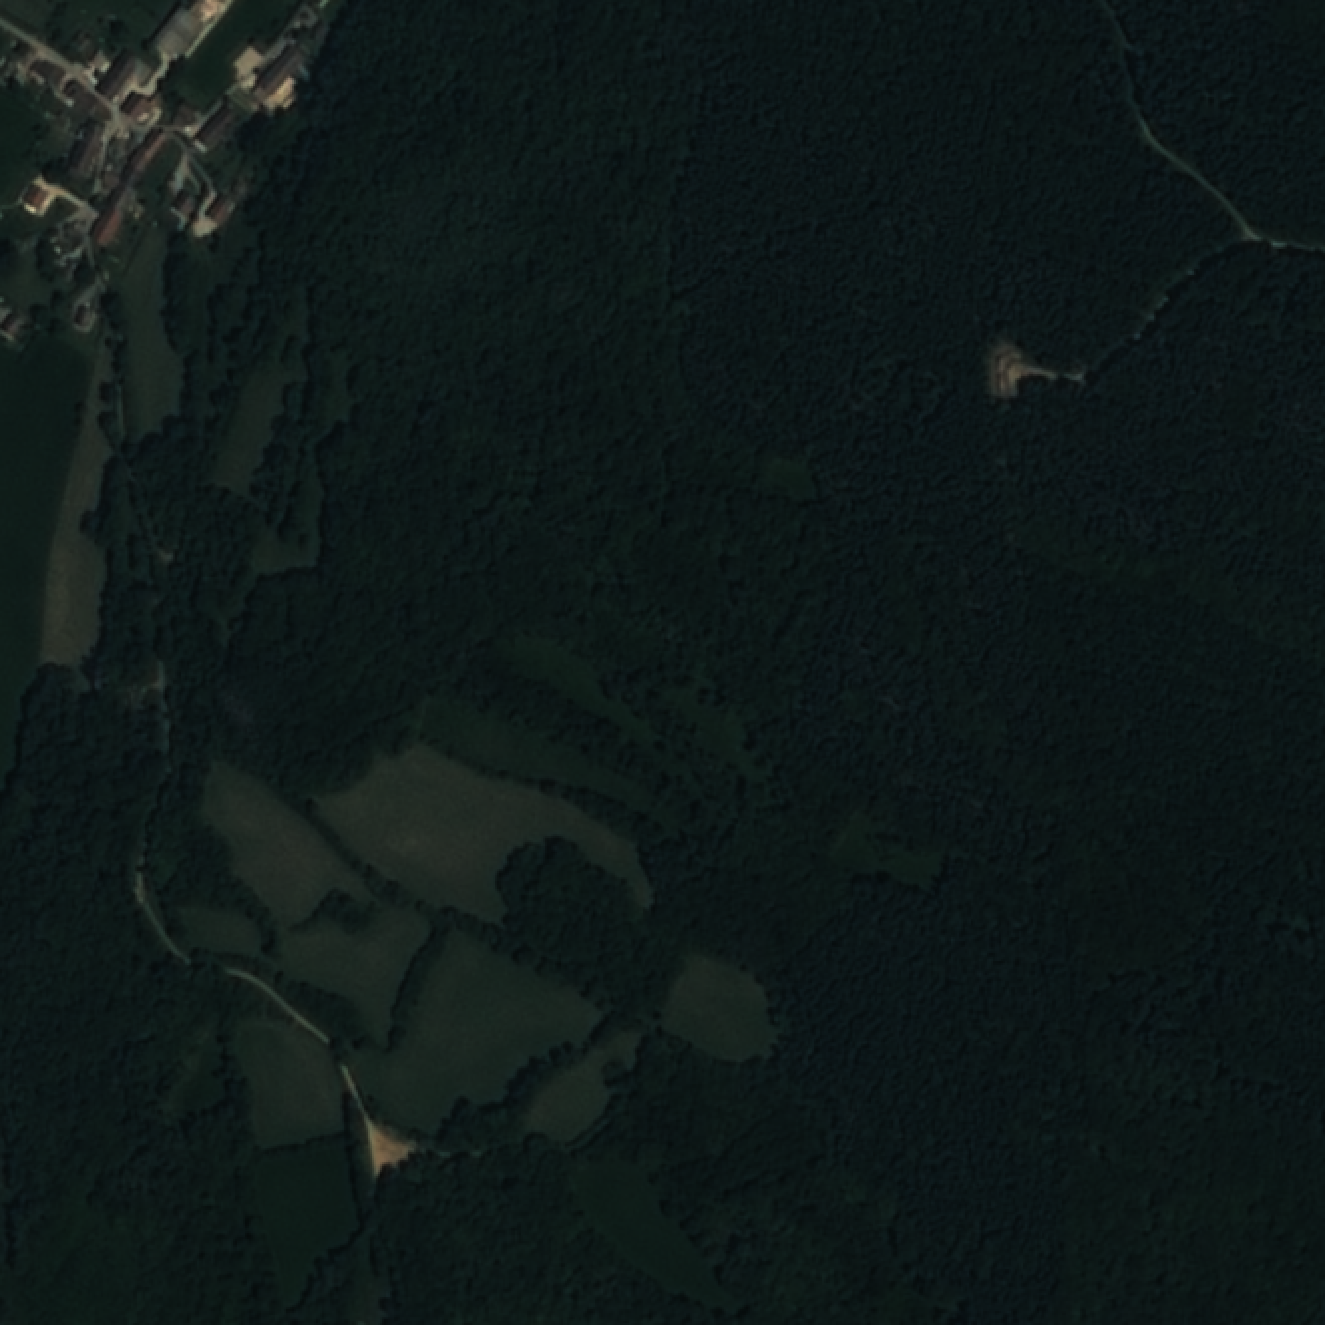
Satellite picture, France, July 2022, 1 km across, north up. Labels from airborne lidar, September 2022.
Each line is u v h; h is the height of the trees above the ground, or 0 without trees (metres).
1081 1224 20
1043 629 18
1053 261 24
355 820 0
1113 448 27
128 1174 20
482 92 11
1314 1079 22
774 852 16
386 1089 0
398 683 15
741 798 16
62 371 0
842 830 16
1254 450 21
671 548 10
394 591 13
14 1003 10
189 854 7
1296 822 21
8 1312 15
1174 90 27
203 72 0
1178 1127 23
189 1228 18
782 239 21
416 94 9
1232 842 22
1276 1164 26
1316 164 19
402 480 19
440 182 5
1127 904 21
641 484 12
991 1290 25
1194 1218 18
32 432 0
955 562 19
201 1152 11
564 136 10
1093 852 16
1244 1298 26
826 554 15
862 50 20
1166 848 19
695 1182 11
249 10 0
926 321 20
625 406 10
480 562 18
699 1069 16
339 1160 0
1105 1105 27
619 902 16
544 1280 16
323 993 10
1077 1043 23
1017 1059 23
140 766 18
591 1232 15
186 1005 14
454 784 0
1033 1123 22
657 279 11
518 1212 13
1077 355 24
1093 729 25
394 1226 15
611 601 20
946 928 21
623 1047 0
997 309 22
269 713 16
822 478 15
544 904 16
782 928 21
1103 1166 21
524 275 11
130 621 15
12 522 0
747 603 22
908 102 23
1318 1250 26
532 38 14
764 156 18
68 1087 14
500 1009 0
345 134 24
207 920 0
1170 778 16
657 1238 0
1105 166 21
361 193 11
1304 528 20
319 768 14
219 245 9
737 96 16
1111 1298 23
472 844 0
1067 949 18
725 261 18
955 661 20
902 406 11
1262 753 17
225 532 12
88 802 15
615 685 21
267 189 6
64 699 17
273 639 9
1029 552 11
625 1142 15
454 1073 0
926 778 19
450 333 8
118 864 6
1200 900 23
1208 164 21
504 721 16
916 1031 22
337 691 13
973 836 16
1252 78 20
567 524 13
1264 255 24
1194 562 21
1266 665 18
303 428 16
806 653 15
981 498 17
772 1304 16
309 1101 0
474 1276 8
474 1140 13
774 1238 18
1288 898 23
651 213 13
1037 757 23
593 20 18
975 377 19
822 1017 22
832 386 20
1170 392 24
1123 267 23
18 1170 13
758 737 20
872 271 19
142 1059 24
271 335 18
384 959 0
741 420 12
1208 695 20
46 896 13
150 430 0
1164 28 23
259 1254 10
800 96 19
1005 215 20
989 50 23
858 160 21
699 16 20
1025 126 20
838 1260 15
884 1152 22
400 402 8
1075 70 17
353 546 17
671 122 13
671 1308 17
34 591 0
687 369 15
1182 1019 21
